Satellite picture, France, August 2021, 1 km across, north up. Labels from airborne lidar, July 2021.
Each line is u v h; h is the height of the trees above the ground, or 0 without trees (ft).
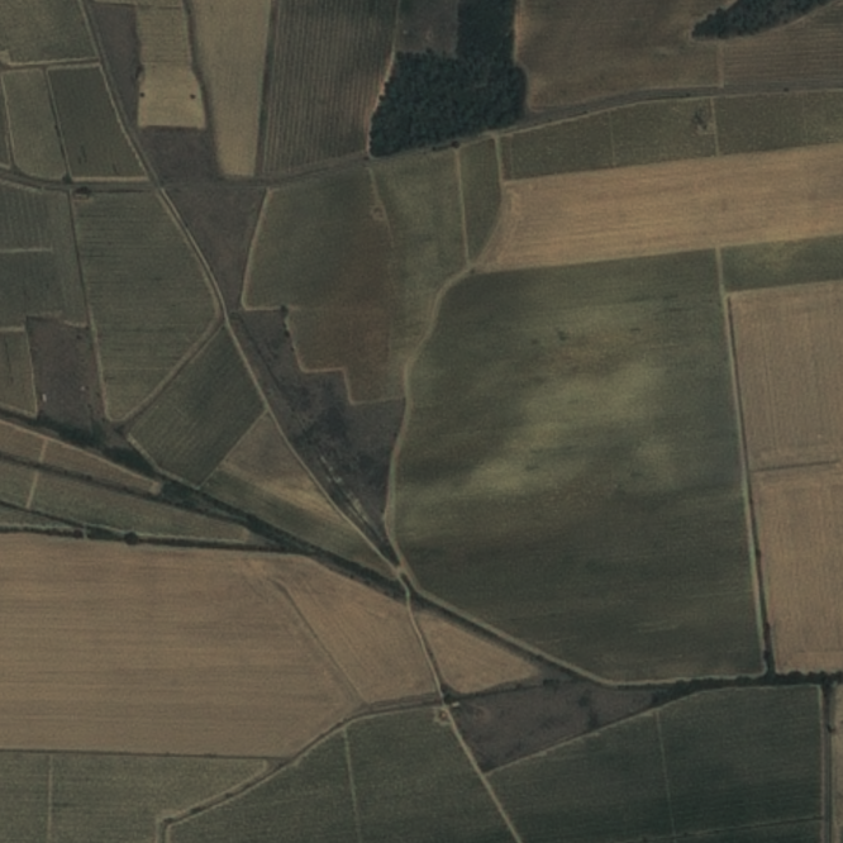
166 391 0
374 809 0
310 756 0
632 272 0
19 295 0
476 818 0
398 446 0
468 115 42
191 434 0
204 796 0
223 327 0
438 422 0
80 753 0
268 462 0
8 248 0
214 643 0
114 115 0
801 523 0
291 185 0
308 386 0
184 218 0
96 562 0
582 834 0
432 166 0
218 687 0
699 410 0
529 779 0
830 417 0
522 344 0
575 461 0
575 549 0
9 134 0
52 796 0
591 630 0
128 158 0
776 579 0
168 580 0
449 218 0
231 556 0
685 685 28
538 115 0
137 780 0
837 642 0
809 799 0
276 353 0
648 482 0
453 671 0
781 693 0
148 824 0
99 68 0
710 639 0
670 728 0
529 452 0
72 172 0
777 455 0
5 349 0
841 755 0
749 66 0
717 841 0
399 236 0
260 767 0
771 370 0
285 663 0
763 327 0
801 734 0
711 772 0
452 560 0
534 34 0
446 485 0
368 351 0
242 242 0
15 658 0
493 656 0
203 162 0
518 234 0
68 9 0
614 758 0
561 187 0
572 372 0
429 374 0
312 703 0
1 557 0
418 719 0
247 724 0
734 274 0
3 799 0
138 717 0
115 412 0
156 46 0
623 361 0
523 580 0
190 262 0
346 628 0
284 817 0
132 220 0
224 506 26
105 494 0
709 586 0
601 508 0
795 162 0
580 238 0
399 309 0
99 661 0
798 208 0
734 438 0
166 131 0
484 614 0
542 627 0
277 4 0
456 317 0
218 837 0
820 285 0
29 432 0
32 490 0
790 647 0
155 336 0
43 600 0
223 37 0
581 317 0
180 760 0
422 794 0
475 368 0
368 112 0
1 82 0
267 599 0
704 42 0
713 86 0
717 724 0
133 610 0
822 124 0
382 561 0
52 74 0
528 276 0
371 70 0
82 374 0
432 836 0
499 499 0
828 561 0
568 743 0
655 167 0
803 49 0
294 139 0
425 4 0
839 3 0
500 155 0
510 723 0
